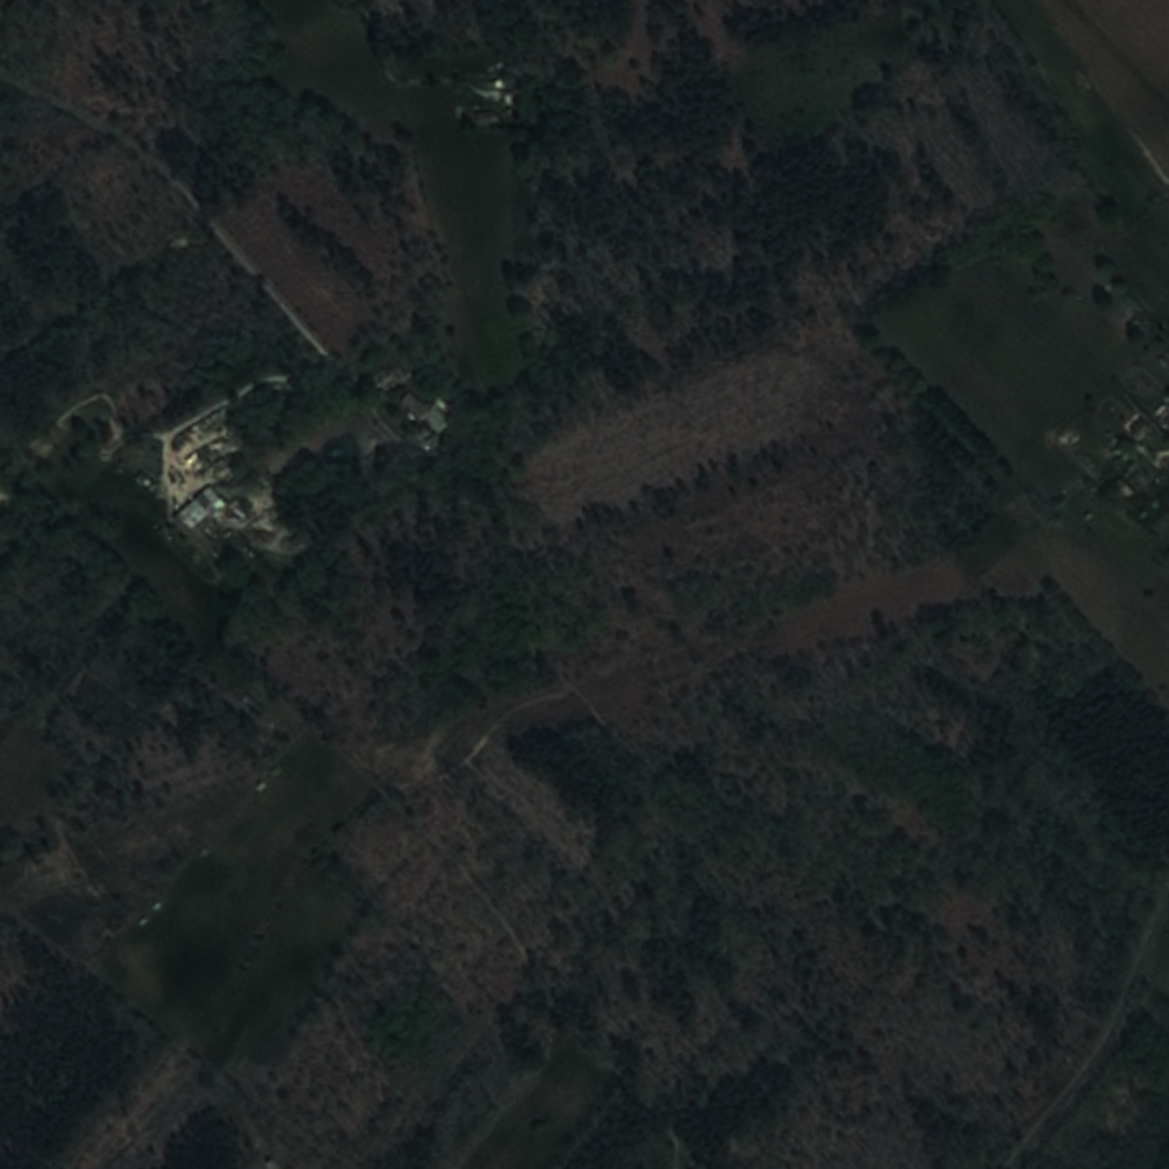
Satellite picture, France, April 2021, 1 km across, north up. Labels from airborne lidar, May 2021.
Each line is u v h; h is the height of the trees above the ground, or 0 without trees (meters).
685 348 12
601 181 14
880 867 18
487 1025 10
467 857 11
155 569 0
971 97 16
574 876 16
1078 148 10
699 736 11
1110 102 0
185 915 0
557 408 9
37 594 18
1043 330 0
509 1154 0
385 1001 9
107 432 15
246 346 13
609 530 7
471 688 15
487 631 17
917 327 0
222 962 0
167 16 12
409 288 12
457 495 14
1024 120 16
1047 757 14
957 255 17
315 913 0
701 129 25
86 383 20
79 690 7
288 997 0
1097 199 11
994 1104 12
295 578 13
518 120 10
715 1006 17
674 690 9
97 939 8
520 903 12
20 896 0
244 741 16
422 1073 14
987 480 13
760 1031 22
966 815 24
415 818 14
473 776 11
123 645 26
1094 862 21
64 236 21
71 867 0
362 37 0
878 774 20
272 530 0
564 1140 0
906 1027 12
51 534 17
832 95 0
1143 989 15
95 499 0
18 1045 7
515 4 17
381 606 12
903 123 10
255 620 23
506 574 21
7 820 0
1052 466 0
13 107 9
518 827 17
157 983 0
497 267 0
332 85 0
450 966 13
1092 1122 13
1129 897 16
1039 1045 11
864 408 0
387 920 15
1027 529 0
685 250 9
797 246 19
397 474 20
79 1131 13
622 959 11
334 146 21
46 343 21
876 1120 14
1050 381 0
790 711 14
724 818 15
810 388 0
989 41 13
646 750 7
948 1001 17
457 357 8
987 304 0
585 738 16
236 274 8
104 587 18
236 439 12
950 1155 13
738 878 11
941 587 0
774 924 8
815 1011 12
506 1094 17
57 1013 16
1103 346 0
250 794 0
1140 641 0
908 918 15
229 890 0
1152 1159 20
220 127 16
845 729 17
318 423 25
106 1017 15
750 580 11
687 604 18
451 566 22
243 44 13
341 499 18
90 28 11
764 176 17
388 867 0
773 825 15
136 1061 9
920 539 14
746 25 24
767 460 13
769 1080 18
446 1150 17
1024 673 20
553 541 13
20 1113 16
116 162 12
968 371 0
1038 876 15
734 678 13
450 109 0
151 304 12
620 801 24
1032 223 15
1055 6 0
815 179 20
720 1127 18
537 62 20
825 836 15
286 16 0
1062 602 15
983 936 10
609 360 15
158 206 12
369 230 22
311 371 15
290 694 12
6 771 0
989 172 18
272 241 0
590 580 15
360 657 18
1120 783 21
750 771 15
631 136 25
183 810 0
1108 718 19
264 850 0
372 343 14
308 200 0
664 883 18
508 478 11
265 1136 12
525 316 20
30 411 26
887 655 16
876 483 6
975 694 11
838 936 7
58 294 24
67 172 12
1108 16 0
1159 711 16
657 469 0
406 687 19
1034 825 16
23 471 14
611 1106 17
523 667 18
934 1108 16
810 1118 17
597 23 24
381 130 0
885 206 18
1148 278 0
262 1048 0
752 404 0
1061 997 6
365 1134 7
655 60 7
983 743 14
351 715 11
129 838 0
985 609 15
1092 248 0
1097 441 0
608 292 14
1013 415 0
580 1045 14
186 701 13
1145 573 0
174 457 0
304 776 0
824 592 9
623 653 11
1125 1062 21
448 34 12
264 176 10
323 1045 9
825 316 10
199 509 0
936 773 23
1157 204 11
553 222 13
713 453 0
